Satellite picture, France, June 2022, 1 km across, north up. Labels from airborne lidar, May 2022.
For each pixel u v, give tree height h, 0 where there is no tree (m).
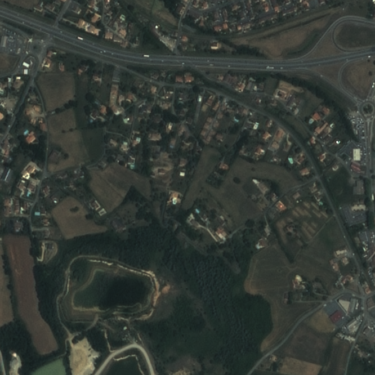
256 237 0
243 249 14
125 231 9
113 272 10
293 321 0
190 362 0
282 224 0
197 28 6
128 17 6
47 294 14
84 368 0
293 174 0
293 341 0
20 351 14
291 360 0
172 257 17
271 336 0
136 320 11
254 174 0
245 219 0
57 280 10
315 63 0
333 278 0
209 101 0
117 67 0
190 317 7
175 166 6
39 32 0
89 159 0
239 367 8
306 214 0
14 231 6
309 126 8
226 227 0
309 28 0
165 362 11
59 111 12
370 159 0
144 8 0
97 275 7
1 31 0
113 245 7
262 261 0
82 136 0
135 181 0
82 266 11
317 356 0
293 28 0
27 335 24
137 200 14
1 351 9
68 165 0
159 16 0
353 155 0
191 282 8
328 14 0
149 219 13
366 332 0
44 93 0
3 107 0
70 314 0
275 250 0
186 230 6
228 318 13
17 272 0
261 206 0
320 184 9
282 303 0
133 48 0
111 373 0
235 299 10
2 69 0
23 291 0
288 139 0
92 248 10
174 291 0
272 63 0
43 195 10
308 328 0
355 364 0
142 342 0
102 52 0
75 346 0
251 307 10
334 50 0
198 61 0
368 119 0
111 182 0
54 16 7
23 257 0
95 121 7
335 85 0
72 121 0
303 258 0
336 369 0
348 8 0
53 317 15
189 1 0
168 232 17
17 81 0
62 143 0
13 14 0
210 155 0
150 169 6
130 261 12
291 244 0
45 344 0
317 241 0
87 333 18
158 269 8
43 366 11
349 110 0
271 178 0
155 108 9
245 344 13
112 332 0
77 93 0
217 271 14
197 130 0
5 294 0
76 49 0
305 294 8
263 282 0
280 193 8
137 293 16
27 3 0
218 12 0
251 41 0
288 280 0
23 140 9
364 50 0
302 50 0
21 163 0
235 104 10
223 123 0
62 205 0
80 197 7
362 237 0
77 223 0
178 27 0
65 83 0
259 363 0
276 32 0
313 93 8
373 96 0
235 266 0
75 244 7
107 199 0
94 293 6
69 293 0
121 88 9
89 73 7
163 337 8
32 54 0
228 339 14
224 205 0
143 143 6
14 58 0
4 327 10
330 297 0
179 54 0
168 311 0
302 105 0
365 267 8
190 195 0
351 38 0
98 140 0
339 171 0
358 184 0
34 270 14
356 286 0
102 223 6
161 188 0
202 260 10
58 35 0
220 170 6
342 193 0
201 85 5
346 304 0
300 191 0
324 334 0
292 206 0
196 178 0
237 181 9
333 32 0
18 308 0
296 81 18
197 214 6
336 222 0
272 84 0
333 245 0
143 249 10
